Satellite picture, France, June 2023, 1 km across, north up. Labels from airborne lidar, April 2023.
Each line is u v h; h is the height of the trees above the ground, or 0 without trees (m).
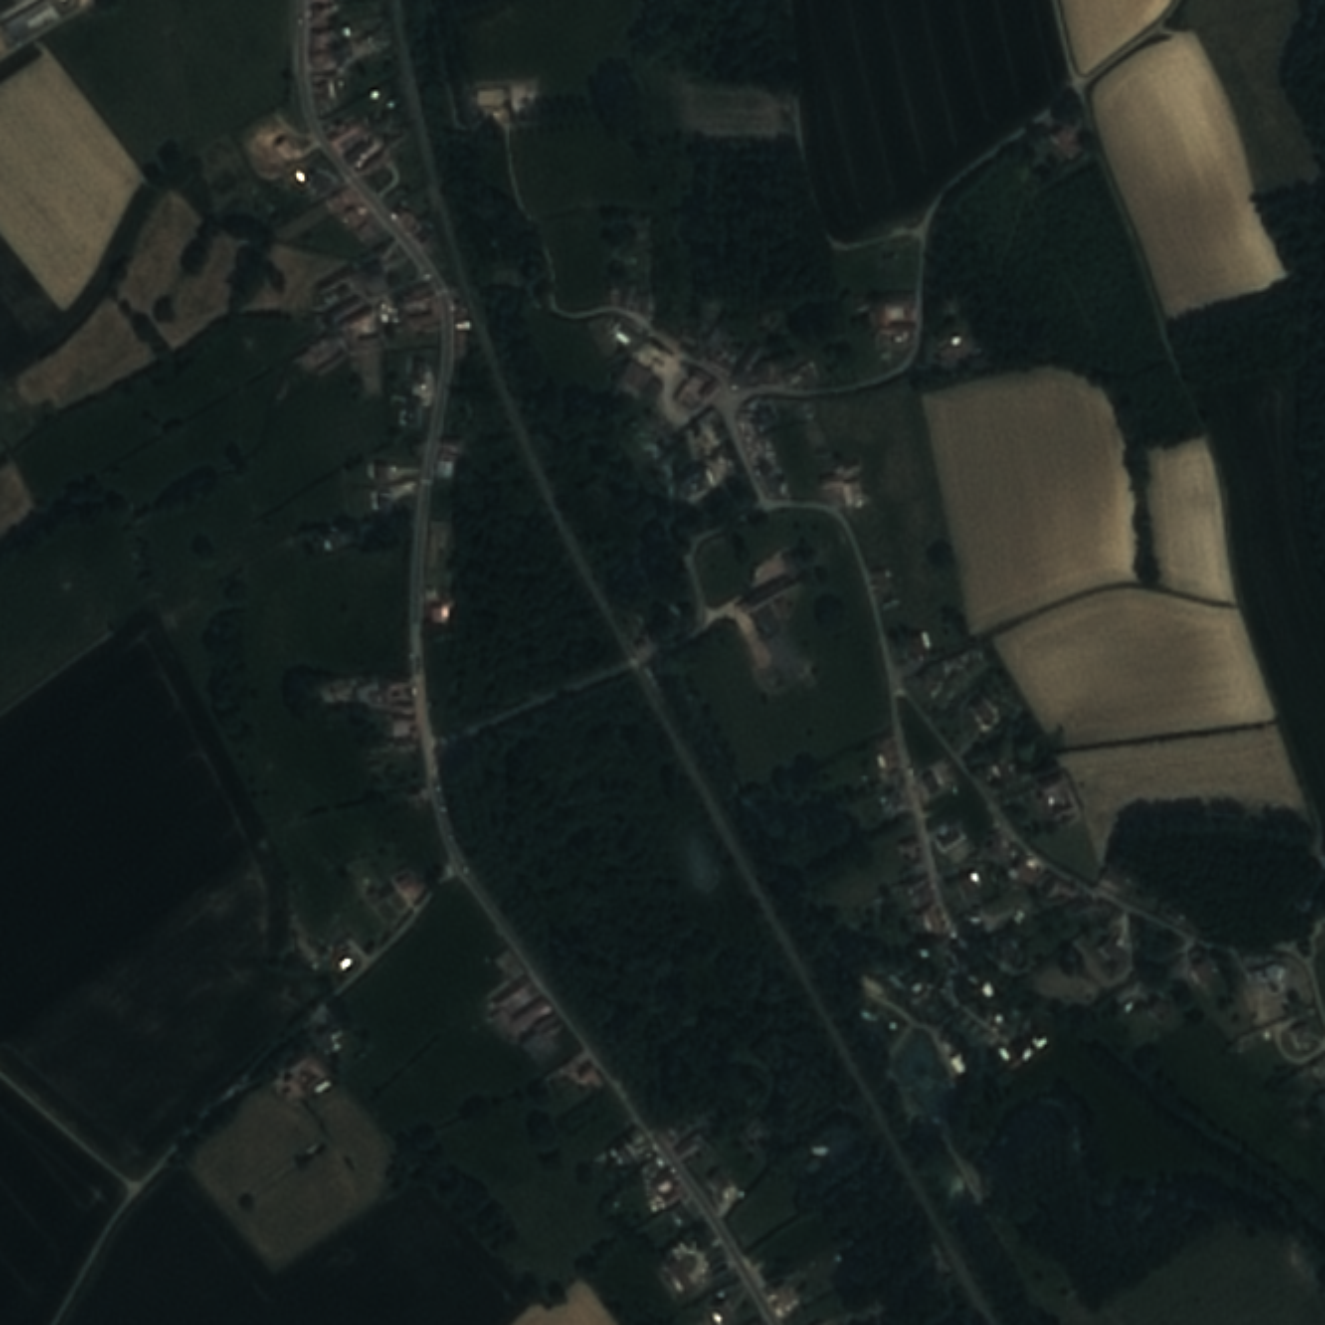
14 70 0
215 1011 0
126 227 0
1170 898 10
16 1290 0
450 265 0
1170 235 0
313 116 0
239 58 0
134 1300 0
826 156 0
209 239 16
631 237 15
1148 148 0
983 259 10
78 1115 0
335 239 0
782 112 0
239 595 16
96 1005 0
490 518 6
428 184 0
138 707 0
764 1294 0
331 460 0
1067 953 11
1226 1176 0
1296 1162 0
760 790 7
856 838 33
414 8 12
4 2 0
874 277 0
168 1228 0
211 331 8
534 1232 0
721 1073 30
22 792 0
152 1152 0
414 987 0
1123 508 0
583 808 10
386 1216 0
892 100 0
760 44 15
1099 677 0
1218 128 0
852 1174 18
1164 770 0
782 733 0
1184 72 0
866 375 0
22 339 0
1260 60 0
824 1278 0
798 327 23
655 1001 19
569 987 30
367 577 0
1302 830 23
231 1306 0
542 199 0
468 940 0
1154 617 0
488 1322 0
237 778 0
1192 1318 0
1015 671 0
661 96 0
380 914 0
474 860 28
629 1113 0
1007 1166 37
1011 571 0
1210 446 0
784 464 0
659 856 8
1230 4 0
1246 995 0
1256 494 0
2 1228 0
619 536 0
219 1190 0
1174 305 0
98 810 0
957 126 0
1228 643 0
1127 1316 0
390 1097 0
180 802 0
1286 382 0
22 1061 0
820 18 0
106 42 0
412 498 0
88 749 0
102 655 0
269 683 0
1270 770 0
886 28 0
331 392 0
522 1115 0
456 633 7
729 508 20
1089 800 0
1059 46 0
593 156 0
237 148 0
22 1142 0
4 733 0
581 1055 0
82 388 0
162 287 0
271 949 0
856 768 0
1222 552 0
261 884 0
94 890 0
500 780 11
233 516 0
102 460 0
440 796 0
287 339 0
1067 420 0
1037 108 0
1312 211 16
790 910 29
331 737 0
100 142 0
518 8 0
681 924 19
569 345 0
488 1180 0
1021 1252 0
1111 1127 0
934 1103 0
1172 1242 20
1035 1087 0
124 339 0
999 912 0
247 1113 0
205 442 0
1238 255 0
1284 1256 0
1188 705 0
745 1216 0
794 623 0
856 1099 19
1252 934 12
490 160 0
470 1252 0
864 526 0
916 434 0
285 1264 0
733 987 10
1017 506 0
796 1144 20
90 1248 0
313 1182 0
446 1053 0
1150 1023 0
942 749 0
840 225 0
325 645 0
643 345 0
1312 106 17
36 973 0
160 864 0
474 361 6
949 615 11
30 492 0
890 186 0
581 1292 0
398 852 0
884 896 11
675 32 22
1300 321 15
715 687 0
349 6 0
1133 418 16
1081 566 0
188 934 0
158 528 0
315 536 11
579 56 0
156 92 0
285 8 0
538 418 9
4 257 0
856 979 30
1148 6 0
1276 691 0
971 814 0
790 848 29
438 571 0
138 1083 0
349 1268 0
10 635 0
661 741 15
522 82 0
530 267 13
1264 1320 0
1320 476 14
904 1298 33
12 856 0
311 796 0
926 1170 14
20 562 0
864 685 0
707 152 26
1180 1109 16
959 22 0
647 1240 10
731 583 0
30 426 0
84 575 0
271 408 0
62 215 0
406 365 0
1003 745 13
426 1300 0
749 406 0
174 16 0
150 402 0
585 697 6
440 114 8
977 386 0
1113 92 0
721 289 24
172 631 0
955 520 0
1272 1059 0
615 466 21
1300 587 0
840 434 0
